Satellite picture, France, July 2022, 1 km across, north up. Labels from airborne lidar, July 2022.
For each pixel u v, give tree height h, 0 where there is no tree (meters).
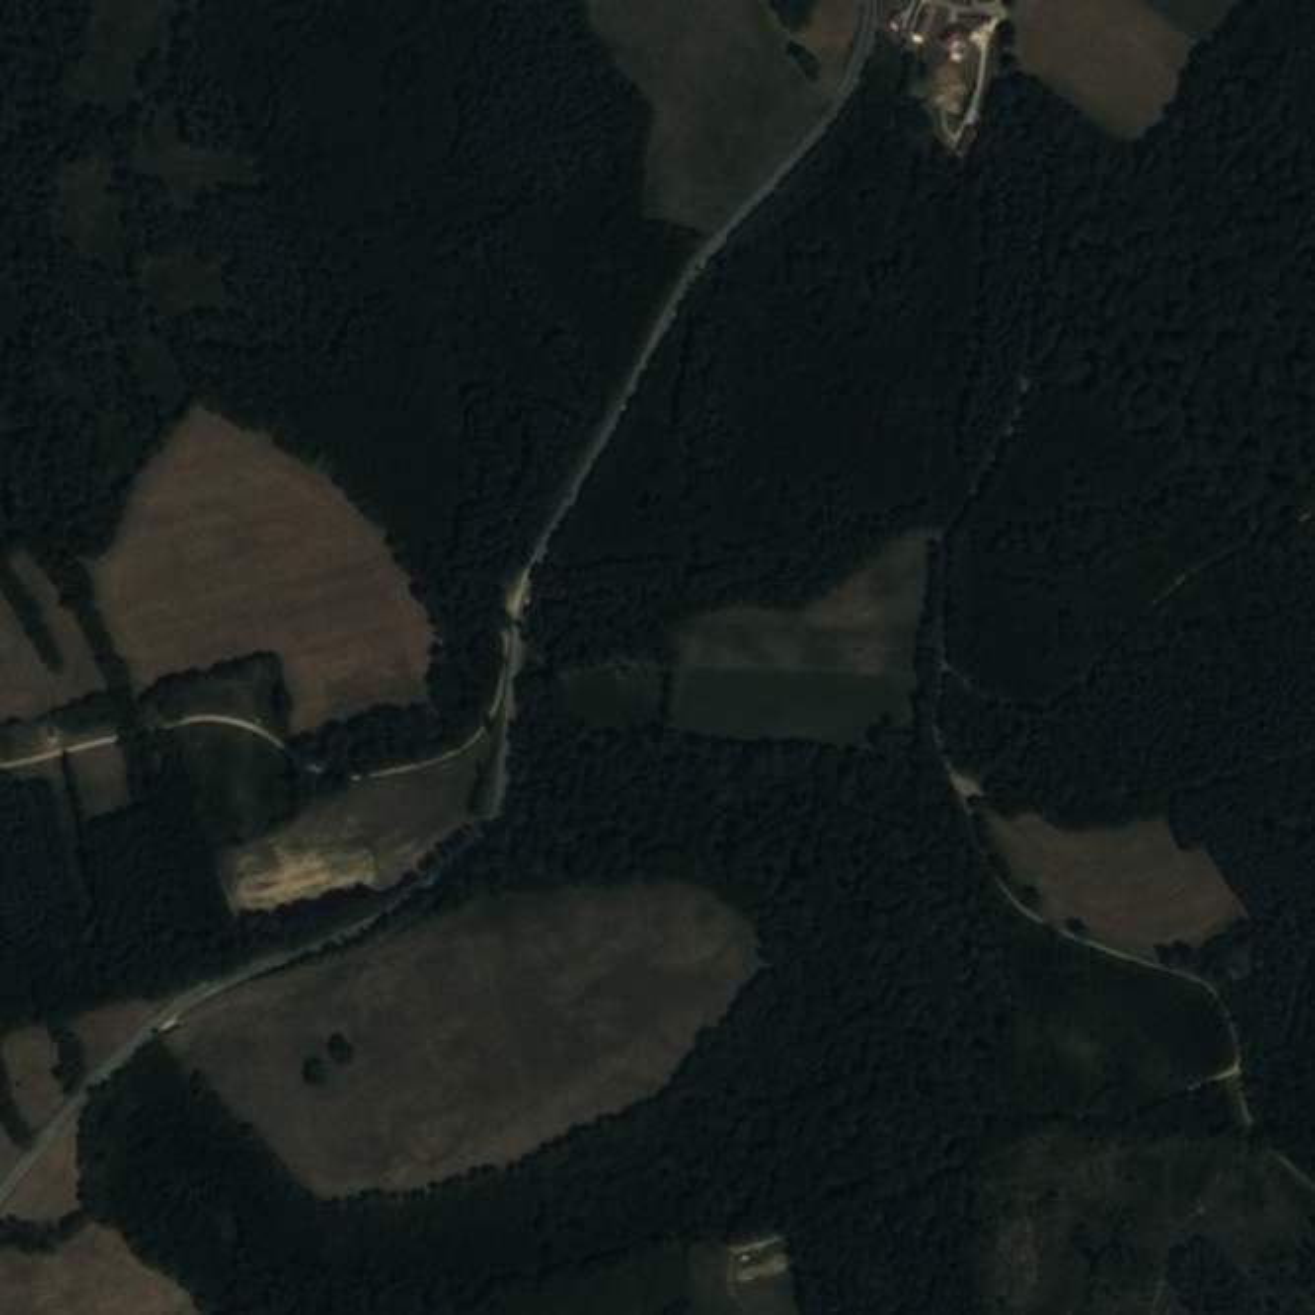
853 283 11
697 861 26
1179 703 19
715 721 0
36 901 26
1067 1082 6
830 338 11
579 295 9
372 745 29
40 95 23
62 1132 0
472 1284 13
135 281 19
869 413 10
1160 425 23
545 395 13
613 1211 29
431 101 13
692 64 0
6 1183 0
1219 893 0
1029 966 6
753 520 11
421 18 13
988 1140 20
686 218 0
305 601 0
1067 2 0
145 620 0
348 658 0
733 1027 15
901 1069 24
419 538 11
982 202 13
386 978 0
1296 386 26
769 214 8
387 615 0
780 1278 0
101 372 19
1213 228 20
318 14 10
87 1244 0
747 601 14
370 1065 0
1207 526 9
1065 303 26
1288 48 7
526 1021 0
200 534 0
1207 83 19
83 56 22
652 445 14
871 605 0
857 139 11
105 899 21
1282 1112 26
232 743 0
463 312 10
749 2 0
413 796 0
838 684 0
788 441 13
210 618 0
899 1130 22
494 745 0
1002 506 11
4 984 27
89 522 24
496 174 18
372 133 16
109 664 17
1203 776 20
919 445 11
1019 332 24
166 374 0
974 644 10
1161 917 0
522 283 23
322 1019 0
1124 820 13
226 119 27
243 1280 14
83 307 21
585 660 25
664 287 13
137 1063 8
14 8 22
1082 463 10
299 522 0
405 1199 11
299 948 15
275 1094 0
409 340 10
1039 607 8
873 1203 22
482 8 19
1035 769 21
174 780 11
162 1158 9
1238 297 22
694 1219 18
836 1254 27
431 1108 0
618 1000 0
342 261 14
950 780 17
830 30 0
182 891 16
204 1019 0
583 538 13
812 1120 23
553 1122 0
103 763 0
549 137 23
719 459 14
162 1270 10
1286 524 13
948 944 32
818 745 11
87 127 23
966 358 14
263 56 18
